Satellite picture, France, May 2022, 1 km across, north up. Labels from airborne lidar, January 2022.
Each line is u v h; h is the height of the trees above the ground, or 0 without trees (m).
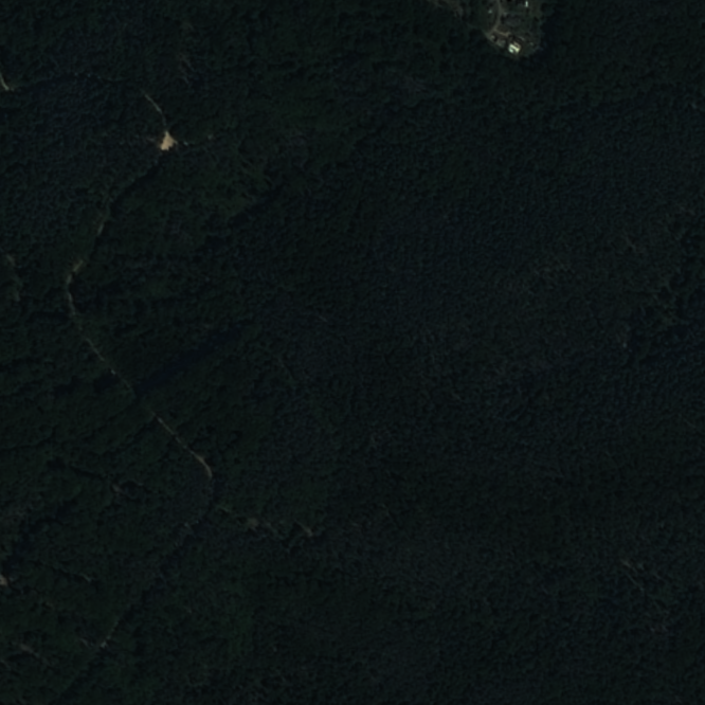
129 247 20
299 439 29
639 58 18
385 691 16
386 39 13
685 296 23
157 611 27
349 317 21
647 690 23
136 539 26
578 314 23
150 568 34
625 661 22
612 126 22
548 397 31
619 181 22
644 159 20
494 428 27
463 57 17
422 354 15
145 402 29
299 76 27
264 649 24
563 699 17
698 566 24
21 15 22
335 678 20
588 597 24
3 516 31
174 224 30
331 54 19
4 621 37
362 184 21
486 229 19
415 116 27
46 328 31
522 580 29
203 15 23
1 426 22
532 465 28
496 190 20
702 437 25
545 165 24
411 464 27
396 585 27
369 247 24
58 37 24
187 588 27
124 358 5
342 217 25
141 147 28
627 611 30
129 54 26
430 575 27
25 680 31
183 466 23
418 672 18
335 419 17
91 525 30
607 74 26
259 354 26
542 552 15
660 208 18
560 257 14
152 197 22
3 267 31
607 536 26
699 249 28
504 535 20
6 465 34
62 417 25
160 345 6
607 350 28
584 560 29
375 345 18
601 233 15
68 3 19
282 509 26
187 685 22
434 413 18
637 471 31
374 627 21
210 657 25
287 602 20
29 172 25
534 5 0
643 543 29
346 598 18
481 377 24
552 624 28
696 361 23
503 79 26
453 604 26
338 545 25
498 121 27
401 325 23
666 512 28
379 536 24
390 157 24
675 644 20
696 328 28
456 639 21
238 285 21
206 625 19
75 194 21
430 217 24
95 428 17
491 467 22
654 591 29
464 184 23
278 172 26
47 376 27
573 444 24
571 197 24
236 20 14
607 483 29
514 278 16
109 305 34
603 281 21
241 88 27
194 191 25
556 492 24
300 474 27
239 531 21
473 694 25
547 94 27
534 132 26
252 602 21
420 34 18
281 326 26
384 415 21
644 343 34
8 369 24
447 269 22
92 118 26
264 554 22
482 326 21
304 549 23
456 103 24
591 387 27
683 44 29
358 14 6
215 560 24
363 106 22
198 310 21
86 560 34
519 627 28
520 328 18
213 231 31
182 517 19
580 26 27
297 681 20
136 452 29
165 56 29
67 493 33
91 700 27
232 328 11
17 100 20
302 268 23
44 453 30
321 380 22
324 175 26
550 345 26
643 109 27
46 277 25
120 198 20
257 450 22
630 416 26
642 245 19
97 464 25
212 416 22
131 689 23
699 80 31
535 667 24
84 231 25
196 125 22
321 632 20
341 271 24
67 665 28
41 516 13
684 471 27
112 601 28
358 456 24
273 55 26
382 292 17
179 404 31
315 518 24
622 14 24
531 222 17
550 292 18
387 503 27
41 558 32
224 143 22
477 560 23
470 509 27
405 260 24
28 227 17
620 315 21
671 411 21
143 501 22
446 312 19
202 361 31
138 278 30
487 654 22
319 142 21
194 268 27
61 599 33
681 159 20
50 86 28
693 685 23
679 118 21
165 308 23
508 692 26
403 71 28
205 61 21
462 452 23
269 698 25
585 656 24
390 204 19
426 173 19
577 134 25
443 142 28
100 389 30
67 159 25
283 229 23
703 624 18
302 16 22
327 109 25
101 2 19
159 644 24
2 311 13
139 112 27
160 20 25
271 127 22
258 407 27
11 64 32
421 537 24
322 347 22
